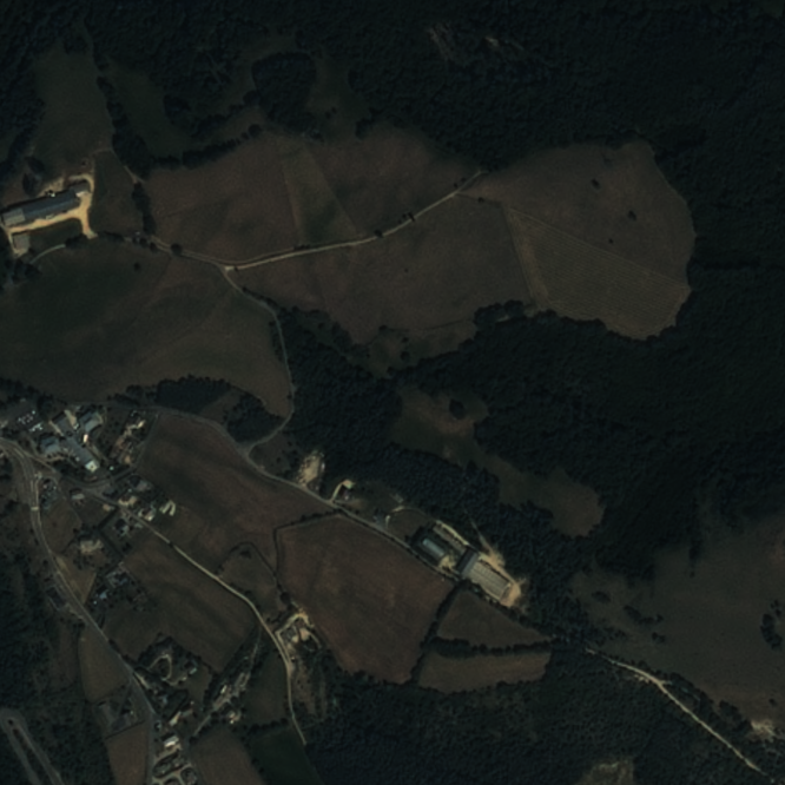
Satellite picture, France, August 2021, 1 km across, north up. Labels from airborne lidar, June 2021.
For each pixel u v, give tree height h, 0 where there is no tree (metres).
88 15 17
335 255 0
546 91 24
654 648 0
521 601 0
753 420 27
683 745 13
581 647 10
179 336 0
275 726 11
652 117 17
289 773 0
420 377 20
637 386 17
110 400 8
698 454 29
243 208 0
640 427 33
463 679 0
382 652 0
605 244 0
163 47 26
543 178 0
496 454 11
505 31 25
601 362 25
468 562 0
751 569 0
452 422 0
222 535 0
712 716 9
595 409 26
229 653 0
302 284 0
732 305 25
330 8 26
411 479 18
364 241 0
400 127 7
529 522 13
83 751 6
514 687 7
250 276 0
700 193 21
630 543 9
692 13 12
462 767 11
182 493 0
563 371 20
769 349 20
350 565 0
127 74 0
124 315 0
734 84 14
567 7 31
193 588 0
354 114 0
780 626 0
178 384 8
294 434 7
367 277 0
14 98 13
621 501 16
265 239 0
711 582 0
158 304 0
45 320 0
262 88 14
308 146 0
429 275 0
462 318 0
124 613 0
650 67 16
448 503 13
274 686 0
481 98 19
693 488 9
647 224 0
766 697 0
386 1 22
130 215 0
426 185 0
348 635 0
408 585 0
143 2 26
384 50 24
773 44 19
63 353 0
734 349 23
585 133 18
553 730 9
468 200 0
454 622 0
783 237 27
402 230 0
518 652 11
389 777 14
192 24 25
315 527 0
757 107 18
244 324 0
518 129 21
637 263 0
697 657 0
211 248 0
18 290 0
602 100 17
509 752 13
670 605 0
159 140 0
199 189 0
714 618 0
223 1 23
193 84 27
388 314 0
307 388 10
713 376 24
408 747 17
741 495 14
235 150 8
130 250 0
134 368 0
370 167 0
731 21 20
